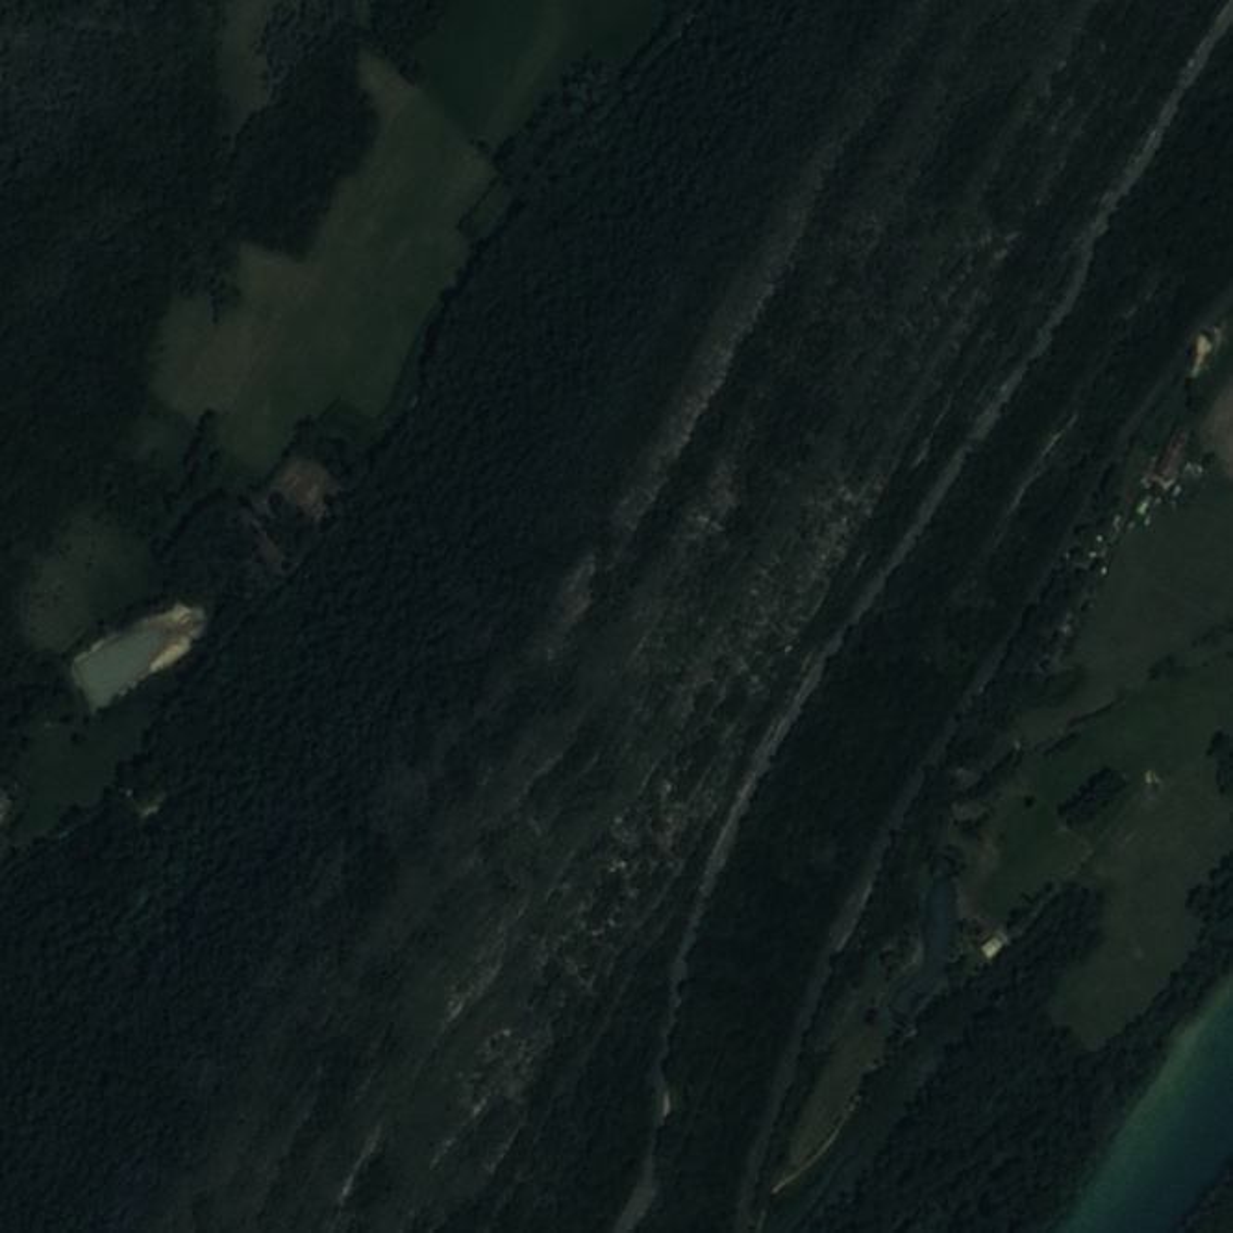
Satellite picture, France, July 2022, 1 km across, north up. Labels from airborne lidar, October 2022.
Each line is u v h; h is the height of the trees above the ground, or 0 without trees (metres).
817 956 13
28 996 12
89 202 11
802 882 18
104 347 16
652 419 7
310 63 11
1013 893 0
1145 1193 0
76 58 11
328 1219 8
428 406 8
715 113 11
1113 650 0
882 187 6
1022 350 11
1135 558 0
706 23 10
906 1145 16
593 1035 9
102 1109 11
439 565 11
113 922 13
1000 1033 16
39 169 20
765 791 19
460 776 14
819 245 9
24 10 12
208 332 0
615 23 0
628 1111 20
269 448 0
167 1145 12
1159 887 0
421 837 9
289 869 10
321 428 23
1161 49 12
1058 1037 12
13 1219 7
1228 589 0
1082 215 9
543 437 6
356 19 12
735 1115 18
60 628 0
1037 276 8
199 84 13
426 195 0
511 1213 16
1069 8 9
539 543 7
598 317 12
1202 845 0
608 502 7
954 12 8
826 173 8
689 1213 15
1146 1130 0
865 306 8
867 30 12
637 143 11
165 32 7
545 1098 10
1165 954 0
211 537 18
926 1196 15
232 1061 9
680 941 13
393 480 14
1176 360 14
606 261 11
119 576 0
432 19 19
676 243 7
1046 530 17
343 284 0
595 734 12
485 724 15
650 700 9
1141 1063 18
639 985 12
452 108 0
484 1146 7
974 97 7
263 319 0
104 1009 10
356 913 12
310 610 8
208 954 13
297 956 7
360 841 14
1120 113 7
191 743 9
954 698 15
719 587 7
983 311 8
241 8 0
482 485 10
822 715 18
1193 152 11
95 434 17
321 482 0
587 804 8
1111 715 8
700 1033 18
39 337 16
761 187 9
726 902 17
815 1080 15
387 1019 9
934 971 0
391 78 0
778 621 7
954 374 9
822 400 9
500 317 12
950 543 19
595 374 10
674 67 10
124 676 0
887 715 12
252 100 0
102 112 14
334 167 22
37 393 16
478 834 7
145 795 12
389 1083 5
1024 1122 17
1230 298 0
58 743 0
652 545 12
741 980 19
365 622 13
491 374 11
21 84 12
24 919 14
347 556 13
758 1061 15
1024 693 15
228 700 15
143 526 17
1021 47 7
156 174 15
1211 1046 0
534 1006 12
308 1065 9
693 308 7
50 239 10
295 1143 8
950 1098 16
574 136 18
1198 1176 0
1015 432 18
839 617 14
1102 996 0
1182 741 0
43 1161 6
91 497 7
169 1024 14
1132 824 0
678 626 5
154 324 9
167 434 0
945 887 0
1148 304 12
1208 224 16
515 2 0
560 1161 10
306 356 0
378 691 11
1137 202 20
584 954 6
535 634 9
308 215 19
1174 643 0
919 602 15
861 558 9
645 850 10
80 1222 13
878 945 12
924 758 11
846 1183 0
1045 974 15
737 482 8
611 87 11
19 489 12
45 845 12
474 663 11
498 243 13
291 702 12
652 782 9
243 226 17
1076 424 6
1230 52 11
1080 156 9
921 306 6
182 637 0
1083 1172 10
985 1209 15
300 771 9
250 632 10
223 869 11
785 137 8
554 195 12
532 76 0
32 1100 14
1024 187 9
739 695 8
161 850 18
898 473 9
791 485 7
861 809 14
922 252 10
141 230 17
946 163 9
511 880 8
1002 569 15
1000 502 12
